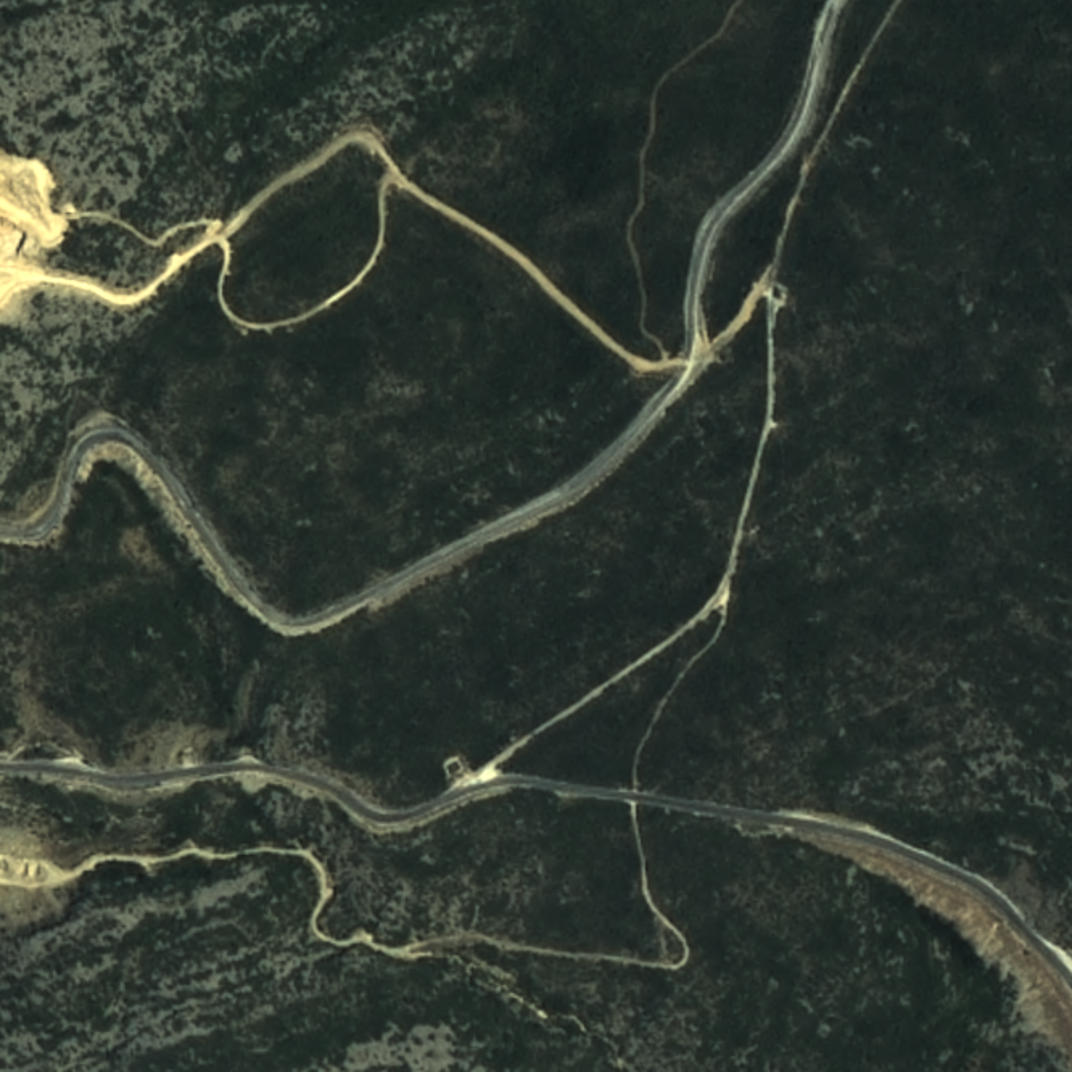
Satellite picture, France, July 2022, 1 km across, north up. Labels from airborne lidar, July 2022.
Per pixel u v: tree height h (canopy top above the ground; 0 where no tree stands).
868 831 0
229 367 0
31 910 0
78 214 0
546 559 0
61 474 0
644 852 0
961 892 0
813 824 0
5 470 0
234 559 0
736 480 0
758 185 0
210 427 0
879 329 0
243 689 0
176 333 0
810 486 0
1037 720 0
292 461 0
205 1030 0
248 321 0
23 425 0
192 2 0
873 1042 0
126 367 0
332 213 6
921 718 0
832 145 0
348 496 0
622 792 0
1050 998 0
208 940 0
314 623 0
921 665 0
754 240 6
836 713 0
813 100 0
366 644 0
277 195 0
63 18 0
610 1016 0
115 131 0
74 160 0
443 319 0
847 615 0
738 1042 0
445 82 0
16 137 0
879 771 0
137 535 0
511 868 0
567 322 6
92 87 0
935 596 0
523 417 0
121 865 6
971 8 6
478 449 0
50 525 0
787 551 0
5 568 0
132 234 0
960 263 0
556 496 0
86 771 0
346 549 0
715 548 0
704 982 0
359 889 0
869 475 0
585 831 0
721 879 0
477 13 0
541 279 0
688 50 6
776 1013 0
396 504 0
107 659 0
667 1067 0
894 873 0
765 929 0
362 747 0
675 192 0
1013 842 0
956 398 6
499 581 0
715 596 0
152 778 0
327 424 0
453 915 0
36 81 0
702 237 0
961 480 0
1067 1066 0
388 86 0
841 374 0
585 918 0
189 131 8
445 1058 0
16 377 0
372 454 0
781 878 0
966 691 0
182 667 5
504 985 0
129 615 0
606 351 0
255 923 0
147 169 6
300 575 0
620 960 0
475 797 0
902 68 6
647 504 0
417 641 0
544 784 0
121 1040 0
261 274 0
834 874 0
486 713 0
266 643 0
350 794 0
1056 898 0
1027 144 0
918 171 0
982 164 0
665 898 0
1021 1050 0
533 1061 0
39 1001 0
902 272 0
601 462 0
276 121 0
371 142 0
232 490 0
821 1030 0
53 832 0
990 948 0
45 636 0
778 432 0
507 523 0
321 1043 0
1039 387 0
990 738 0
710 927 0
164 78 0
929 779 0
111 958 0
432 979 0
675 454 6
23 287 0
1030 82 6
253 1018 0
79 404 0
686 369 0
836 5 0
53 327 0
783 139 0
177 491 0
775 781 0
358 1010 0
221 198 0
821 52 0
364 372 0
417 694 0
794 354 0
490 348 0
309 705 0
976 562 0
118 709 0
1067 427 0
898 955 0
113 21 0
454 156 0
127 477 6
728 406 0
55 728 0
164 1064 0
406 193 0
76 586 0
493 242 0
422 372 0
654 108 0
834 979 0
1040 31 7
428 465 0
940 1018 0
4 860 0
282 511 0
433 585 0
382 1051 0
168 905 0
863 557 0
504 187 7
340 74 0
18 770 0
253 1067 0
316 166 0
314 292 0
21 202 0
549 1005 6
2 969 0
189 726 0
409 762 0
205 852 0
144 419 0
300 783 0
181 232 0
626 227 6
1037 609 0
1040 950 0
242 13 0
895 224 0
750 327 5
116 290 0
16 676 0
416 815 0
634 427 0
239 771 0
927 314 0
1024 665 0
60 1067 0
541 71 7
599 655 0
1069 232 0
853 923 0
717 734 0
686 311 0
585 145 5
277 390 0
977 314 6
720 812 0
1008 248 6
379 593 0
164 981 0
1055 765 0
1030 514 0
